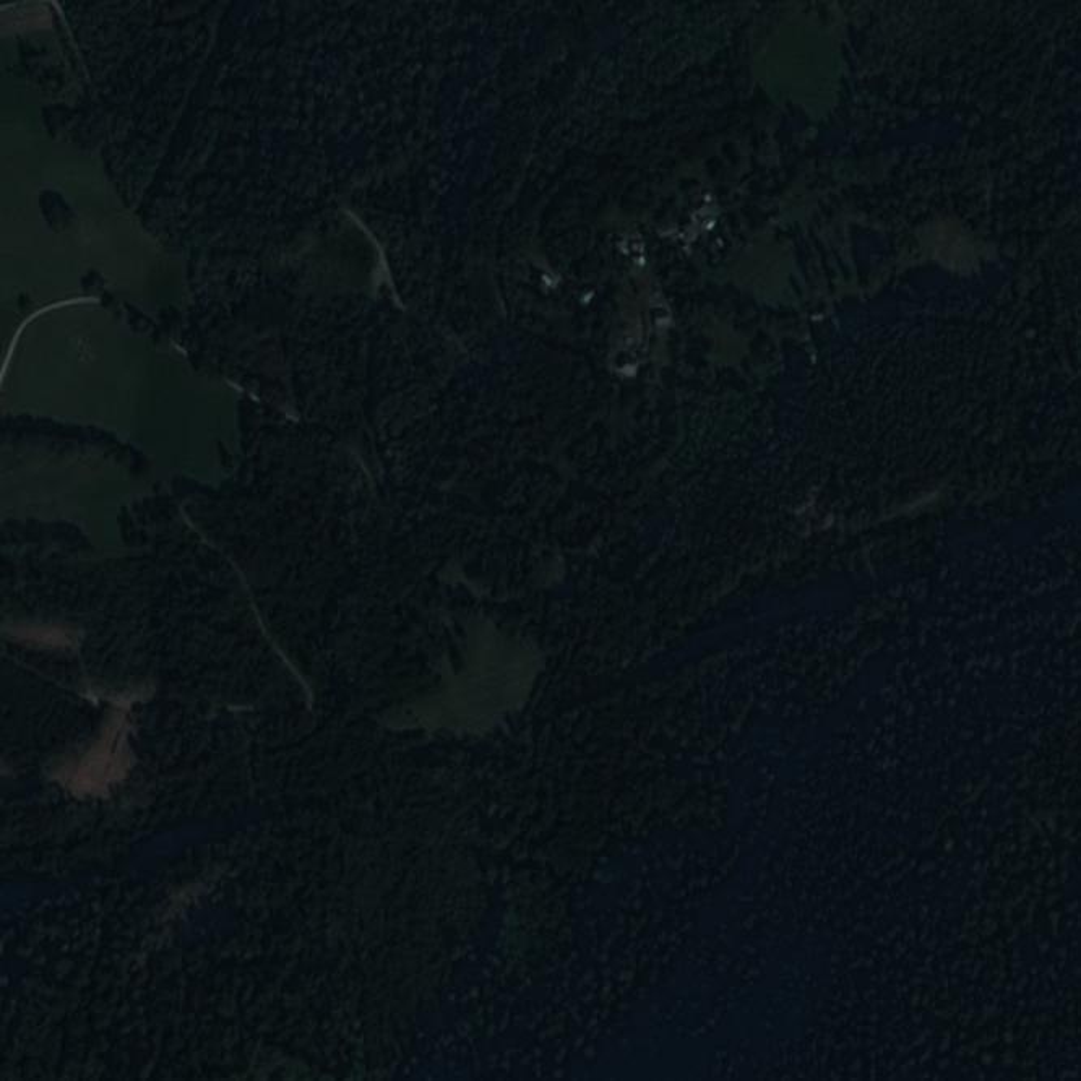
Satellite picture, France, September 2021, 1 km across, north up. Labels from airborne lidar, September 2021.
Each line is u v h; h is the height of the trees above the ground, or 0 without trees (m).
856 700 6
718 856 23
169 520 19
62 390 0
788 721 19
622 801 30
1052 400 13
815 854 26
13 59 0
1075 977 28
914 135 10
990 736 19
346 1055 7
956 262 0
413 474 18
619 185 27
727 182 16
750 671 25
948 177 18
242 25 33
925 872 29
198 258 21
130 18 30
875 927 21
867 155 7
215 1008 25
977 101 32
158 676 6
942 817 23
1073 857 16
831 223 15
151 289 0
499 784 33
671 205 7
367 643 20
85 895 14
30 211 0
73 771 0
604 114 24
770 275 0
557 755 26
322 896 19
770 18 28
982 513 7
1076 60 8
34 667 7
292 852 31
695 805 26
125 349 0
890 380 28
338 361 13
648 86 20
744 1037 20
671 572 27
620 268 19
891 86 21
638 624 25
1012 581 33
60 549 19
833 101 0
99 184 0
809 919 18
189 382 0
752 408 25
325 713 8
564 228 28
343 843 16
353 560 24
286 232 21
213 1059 17
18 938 23
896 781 17
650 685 28
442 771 22
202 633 27
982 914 17
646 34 26
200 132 27
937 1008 26
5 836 27
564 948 21
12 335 0
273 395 22
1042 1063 18
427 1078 22
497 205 35
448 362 22
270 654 7
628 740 25
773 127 17
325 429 6
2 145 0
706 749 27
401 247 25
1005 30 30
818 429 30
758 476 30
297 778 7
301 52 28
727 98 16
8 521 0
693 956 19
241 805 7
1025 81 27
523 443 18
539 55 35
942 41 27
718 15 22
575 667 10
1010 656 19
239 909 25
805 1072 18
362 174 26
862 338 33
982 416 27
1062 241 6
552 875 24
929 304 25
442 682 6
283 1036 7
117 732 0
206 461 0
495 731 0
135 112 23
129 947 20
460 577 0
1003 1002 20
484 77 31
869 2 25
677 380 11
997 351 32
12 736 7
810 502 31
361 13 20
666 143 19
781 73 0
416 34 33
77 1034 34
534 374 25
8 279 0
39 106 0
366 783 6
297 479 14
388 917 6
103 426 0
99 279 8
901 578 8
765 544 32
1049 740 22
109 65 24
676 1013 22
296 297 6
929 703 29
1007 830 30
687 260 10
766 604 9
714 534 22
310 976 11
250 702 7
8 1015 27
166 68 21
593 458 12
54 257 0
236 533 21
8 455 0
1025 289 30
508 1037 20
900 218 18
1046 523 9
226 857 30
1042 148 37
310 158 30
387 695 18
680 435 21
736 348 0
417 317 17
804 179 22
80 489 0
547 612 19
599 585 25
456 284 18
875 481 30
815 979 18
